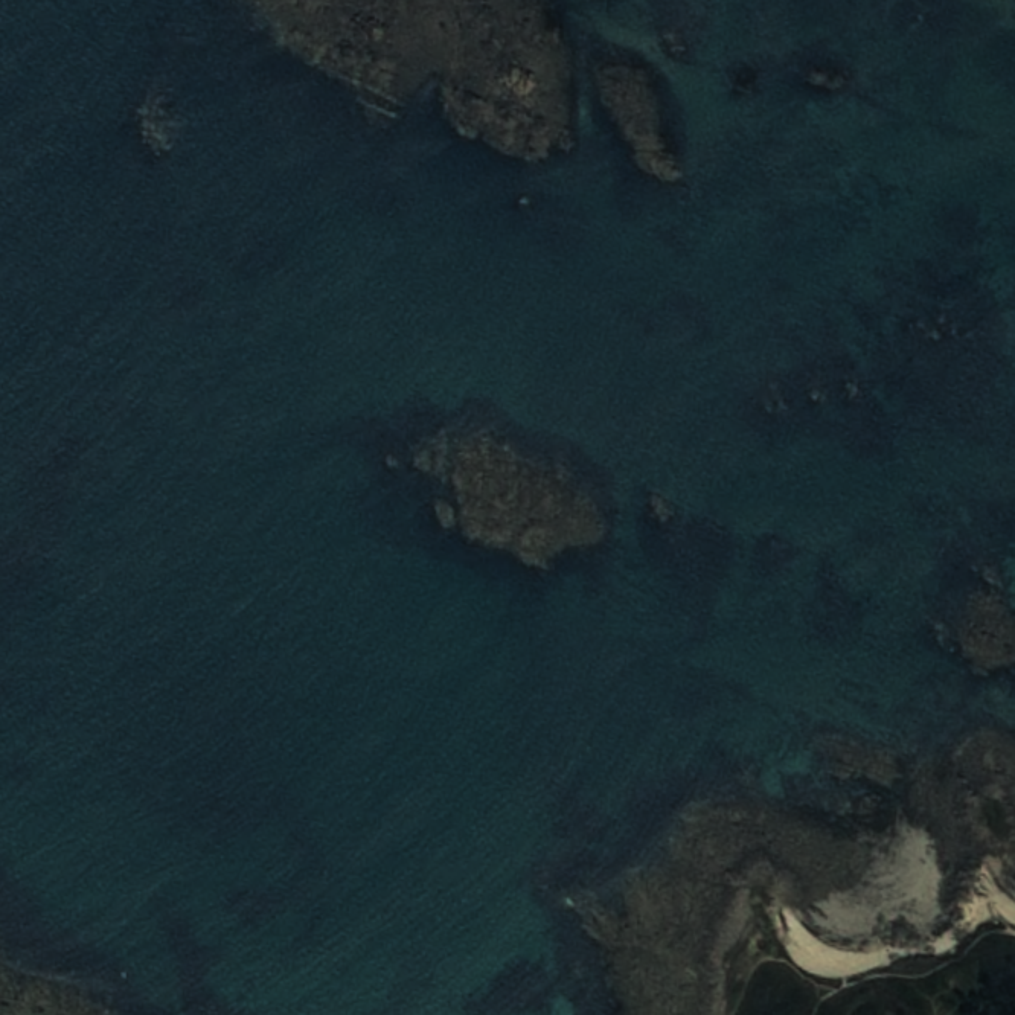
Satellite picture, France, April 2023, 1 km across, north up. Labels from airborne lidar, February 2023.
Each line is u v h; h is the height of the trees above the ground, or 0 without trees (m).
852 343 0
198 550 0
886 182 0
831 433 0
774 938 0
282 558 0
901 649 0
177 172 0
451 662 0
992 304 0
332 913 0
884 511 0
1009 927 0
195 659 0
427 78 0
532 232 0
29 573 0
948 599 0
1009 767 0
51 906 0
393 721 0
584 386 0
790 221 0
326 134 0
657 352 0
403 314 0
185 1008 0
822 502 0
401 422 0
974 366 0
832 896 0
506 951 0
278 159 0
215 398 0
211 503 0
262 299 0
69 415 0
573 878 0
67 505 0
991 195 0
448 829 0
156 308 0
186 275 0
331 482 0
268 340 0
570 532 0
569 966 0
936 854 0
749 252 0
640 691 0
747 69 0
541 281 0
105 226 0
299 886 0
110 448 0
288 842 0
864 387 0
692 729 0
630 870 0
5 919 0
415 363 0
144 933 0
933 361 0
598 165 0
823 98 0
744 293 0
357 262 0
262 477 0
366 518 0
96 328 0
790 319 0
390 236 0
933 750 0
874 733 0
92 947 0
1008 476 0
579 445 0
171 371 0
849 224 0
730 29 0
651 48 0
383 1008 0
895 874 0
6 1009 0
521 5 0
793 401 0
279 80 0
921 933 0
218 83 0
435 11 0
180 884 0
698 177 0
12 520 0
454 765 0
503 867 0
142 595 0
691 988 0
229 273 0
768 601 0
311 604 0
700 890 0
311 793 0
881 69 0
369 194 0
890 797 0
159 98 0
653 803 0
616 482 0
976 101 0
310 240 0
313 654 0
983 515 0
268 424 0
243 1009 0
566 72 0
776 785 0
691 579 0
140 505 0
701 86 0
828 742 0
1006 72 0
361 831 0
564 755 0
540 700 0
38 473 0
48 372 0
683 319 0
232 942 0
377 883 0
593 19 0
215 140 0
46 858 0
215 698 0
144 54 0
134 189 0
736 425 0
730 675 0
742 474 0
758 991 0
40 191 0
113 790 0
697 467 0
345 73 0
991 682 0
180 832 0
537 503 0
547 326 0
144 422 0
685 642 0
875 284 0
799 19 0
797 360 0
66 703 0
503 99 0
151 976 0
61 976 0
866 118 0
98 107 0
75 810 0
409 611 0
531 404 0
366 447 0
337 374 0
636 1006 0
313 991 0
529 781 0
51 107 0
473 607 0
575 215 0
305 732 0
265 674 0
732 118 0
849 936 0
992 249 0
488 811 0
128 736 0
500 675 0
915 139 0
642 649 0
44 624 0
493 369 0
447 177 0
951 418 0
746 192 0
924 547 0
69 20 0
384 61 0
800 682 0
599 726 0
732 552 0
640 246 0
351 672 0
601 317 0
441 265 0
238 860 0
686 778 0
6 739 0
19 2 0
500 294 0
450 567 0
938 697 0
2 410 0
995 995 11
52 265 0
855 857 0
